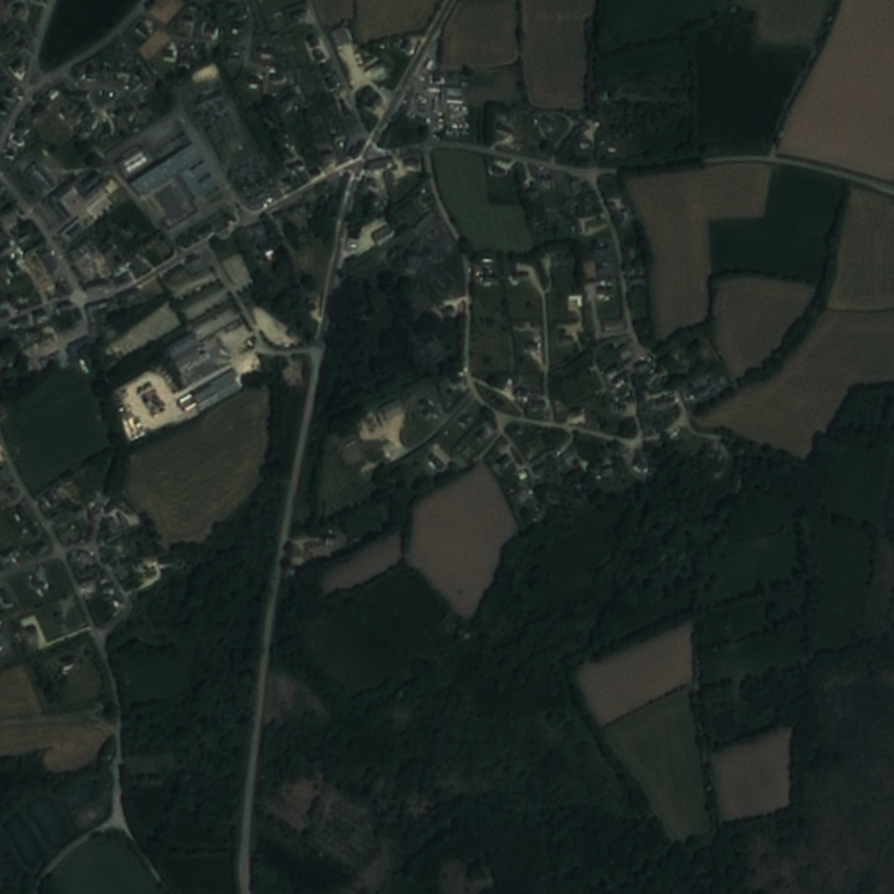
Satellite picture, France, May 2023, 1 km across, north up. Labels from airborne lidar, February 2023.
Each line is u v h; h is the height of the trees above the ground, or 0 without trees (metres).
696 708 9
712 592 9
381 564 0
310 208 6
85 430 0
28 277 0
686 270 0
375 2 0
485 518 0
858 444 14
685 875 7
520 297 0
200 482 0
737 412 0
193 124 0
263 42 0
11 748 0
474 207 0
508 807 10
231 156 0
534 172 0
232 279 0
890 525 0
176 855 8
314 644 0
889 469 0
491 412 8
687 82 8
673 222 0
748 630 0
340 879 7
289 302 14
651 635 6
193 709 12
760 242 0
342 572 0
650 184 0
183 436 0
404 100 0
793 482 19
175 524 0
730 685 11
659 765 0
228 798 14
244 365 0
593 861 18
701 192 0
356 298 18
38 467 0
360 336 17
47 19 0
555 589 0
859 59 0
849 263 0
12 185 0
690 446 0
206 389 0
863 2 0
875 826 0
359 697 10
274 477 25
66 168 0
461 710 7
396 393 13
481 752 6
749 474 18
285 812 0
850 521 6
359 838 0
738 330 0
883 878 0
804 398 0
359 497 0
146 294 0
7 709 0
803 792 10
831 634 0
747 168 0
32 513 0
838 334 0
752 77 0
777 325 0
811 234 0
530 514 8
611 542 0
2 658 0
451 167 0
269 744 7
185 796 17
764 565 0
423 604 0
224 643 7
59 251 0
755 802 0
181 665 0
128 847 12
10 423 0
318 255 0
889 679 0
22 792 11
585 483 12
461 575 0
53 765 0
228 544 0
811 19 0
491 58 0
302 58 0
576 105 0
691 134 7
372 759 0
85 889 0
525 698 0
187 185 0
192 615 17
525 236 0
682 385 14
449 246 0
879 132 0
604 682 0
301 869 6
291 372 0
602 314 0
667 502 15
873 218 0
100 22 0
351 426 10
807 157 0
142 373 0
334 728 6
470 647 0
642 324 8
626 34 0
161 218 0
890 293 0
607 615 15
